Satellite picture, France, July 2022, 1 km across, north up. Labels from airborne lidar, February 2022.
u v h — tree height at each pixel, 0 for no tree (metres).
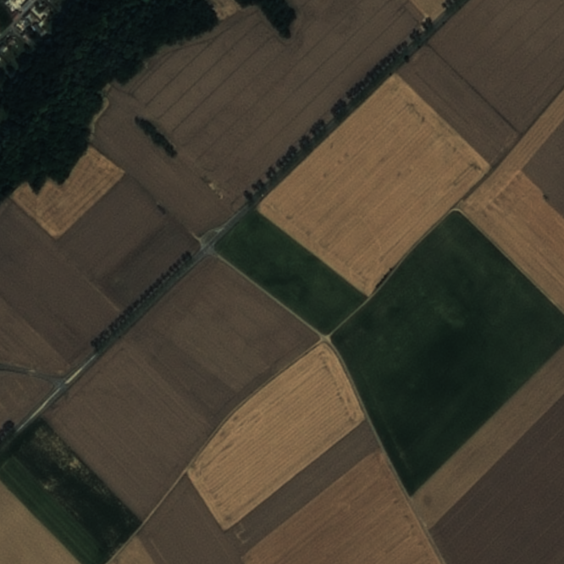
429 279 0
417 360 0
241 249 0
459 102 0
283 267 0
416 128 0
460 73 0
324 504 0
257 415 0
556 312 0
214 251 0
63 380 0
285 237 0
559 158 0
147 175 0
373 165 0
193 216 0
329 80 0
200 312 0
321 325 0
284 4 17
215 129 0
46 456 0
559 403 0
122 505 0
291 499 0
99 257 0
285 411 0
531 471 0
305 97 0
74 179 0
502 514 0
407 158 0
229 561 0
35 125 23
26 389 0
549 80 0
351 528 0
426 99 0
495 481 0
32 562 0
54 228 0
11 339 0
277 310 0
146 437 0
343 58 0
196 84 0
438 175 0
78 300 0
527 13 0
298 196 0
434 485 0
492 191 0
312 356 0
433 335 0
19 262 0
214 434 0
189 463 0
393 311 0
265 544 0
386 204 0
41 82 28
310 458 0
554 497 0
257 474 0
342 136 0
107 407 0
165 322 0
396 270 0
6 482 0
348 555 0
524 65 0
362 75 0
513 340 0
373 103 0
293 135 0
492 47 0
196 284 0
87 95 19
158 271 0
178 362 0
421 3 0
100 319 0
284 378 0
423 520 0
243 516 0
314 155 0
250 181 0
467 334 0
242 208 0
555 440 0
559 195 0
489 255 0
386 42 0
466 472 0
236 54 0
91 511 0
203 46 0
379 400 0
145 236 0
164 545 0
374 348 0
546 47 0
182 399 0
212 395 0
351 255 0
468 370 0
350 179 0
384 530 0
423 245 0
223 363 0
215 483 0
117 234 0
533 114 0
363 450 0
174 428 0
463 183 0
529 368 0
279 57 0
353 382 0
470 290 0
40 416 0
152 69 0
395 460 0
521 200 0
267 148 0
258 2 17
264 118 0
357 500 0
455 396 0
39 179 17
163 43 16
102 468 0
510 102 0
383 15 0
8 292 0
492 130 0
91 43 26
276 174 23
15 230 0
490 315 0
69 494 0
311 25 0
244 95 0
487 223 0
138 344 0
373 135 0
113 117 0
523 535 0
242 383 0
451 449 0
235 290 0
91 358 0
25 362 0
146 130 14
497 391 0
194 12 22
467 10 0
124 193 0
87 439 0
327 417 0
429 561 0
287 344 0
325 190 0
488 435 0
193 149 0
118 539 0
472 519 0
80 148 20
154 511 0
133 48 22
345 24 0
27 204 0
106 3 17
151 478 0
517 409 0
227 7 0
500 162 0
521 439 0
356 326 0
